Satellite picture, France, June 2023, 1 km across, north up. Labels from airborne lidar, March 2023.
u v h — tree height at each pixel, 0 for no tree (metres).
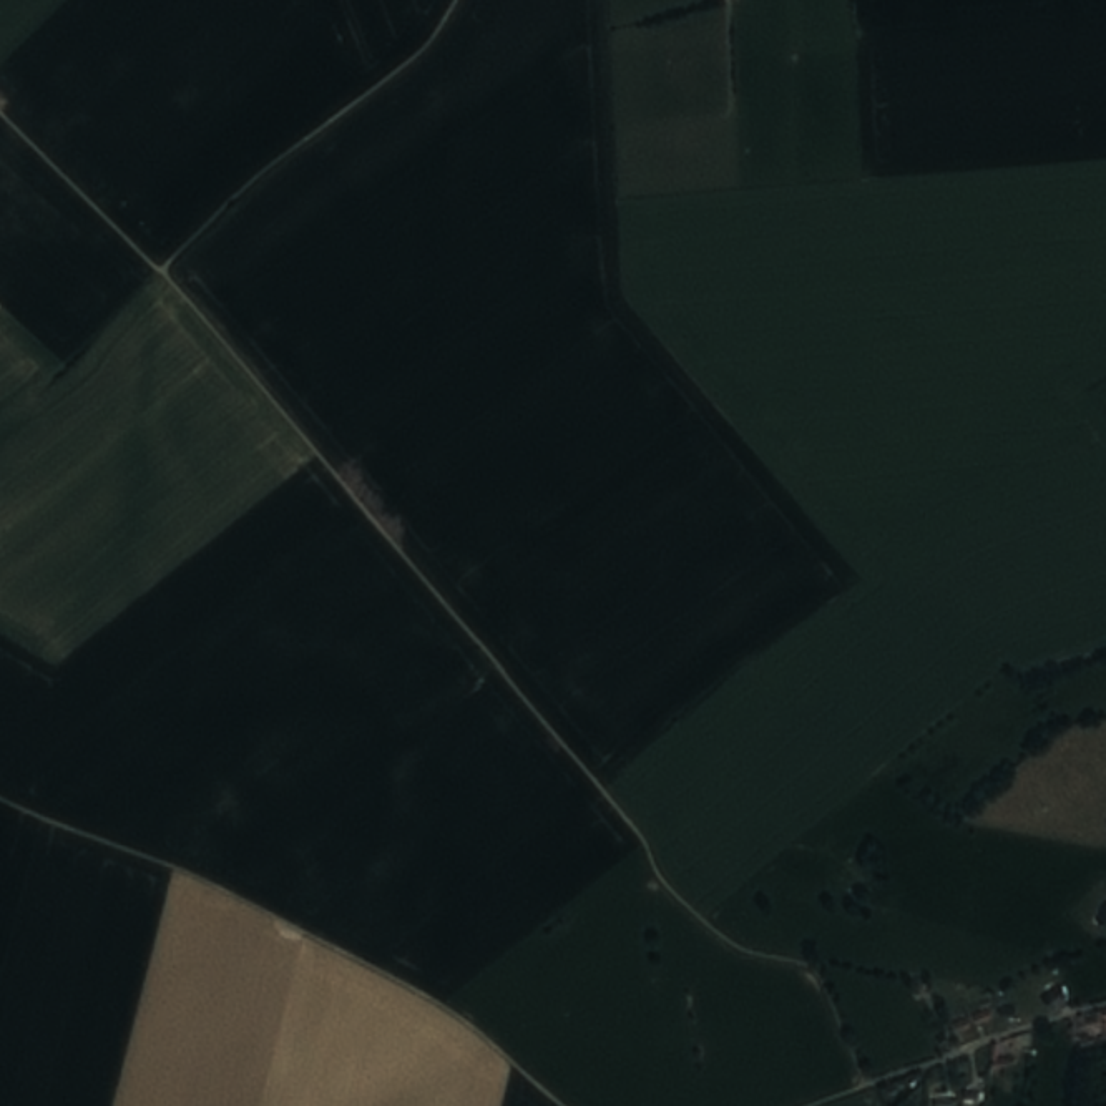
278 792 0
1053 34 0
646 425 0
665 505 0
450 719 0
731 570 0
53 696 0
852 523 0
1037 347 0
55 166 0
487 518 0
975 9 0
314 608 0
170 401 0
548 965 0
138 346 0
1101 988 0
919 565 0
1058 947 0
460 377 0
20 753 0
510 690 0
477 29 0
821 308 0
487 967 0
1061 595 0
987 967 0
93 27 0
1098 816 0
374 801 0
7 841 0
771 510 0
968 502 0
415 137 0
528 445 0
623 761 0
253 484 0
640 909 0
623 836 0
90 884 0
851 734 0
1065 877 0
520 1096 0
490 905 0
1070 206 0
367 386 0
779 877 0
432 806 0
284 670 0
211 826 0
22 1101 0
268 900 0
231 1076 0
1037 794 0
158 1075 0
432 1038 0
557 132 0
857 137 0
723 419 0
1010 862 0
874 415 0
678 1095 0
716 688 0
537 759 0
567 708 0
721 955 0
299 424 0
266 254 0
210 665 0
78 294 0
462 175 0
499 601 0
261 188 0
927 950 0
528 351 0
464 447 0
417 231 0
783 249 0
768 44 0
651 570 0
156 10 0
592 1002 0
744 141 0
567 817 0
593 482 0
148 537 0
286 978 0
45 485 0
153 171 0
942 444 0
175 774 0
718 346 0
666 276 0
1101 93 0
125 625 0
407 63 0
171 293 0
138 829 0
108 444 0
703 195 0
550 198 0
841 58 0
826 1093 0
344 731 0
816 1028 0
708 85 0
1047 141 0
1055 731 13
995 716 0
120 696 0
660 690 0
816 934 0
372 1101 0
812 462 0
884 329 0
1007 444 0
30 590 0
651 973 0
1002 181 0
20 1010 0
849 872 0
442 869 0
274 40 0
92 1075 0
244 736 0
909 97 0
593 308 0
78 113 0
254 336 0
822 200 0
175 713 0
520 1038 0
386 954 0
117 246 0
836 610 0
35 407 0
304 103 0
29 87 0
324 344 0
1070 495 0
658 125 0
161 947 0
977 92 0
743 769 0
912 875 0
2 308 0
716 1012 0
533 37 0
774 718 0
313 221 0
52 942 0
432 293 0
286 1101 0
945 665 0
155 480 0
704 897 0
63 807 0
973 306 0
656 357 0
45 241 0
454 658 0
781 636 0
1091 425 0
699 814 0
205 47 0
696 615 0
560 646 0
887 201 0
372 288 0
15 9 0
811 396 0
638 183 0
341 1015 0
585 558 0
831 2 0
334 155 0
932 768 0
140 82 0
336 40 0
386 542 0
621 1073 0
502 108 0
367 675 0
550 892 0
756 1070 0
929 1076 9
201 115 0
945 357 0
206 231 0
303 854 0
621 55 0
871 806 0
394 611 0
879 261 0
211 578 0
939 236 0
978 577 0
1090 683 0
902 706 0
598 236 0
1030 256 0
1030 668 0
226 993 0
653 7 0
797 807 0
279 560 0
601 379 0
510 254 0
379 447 0
